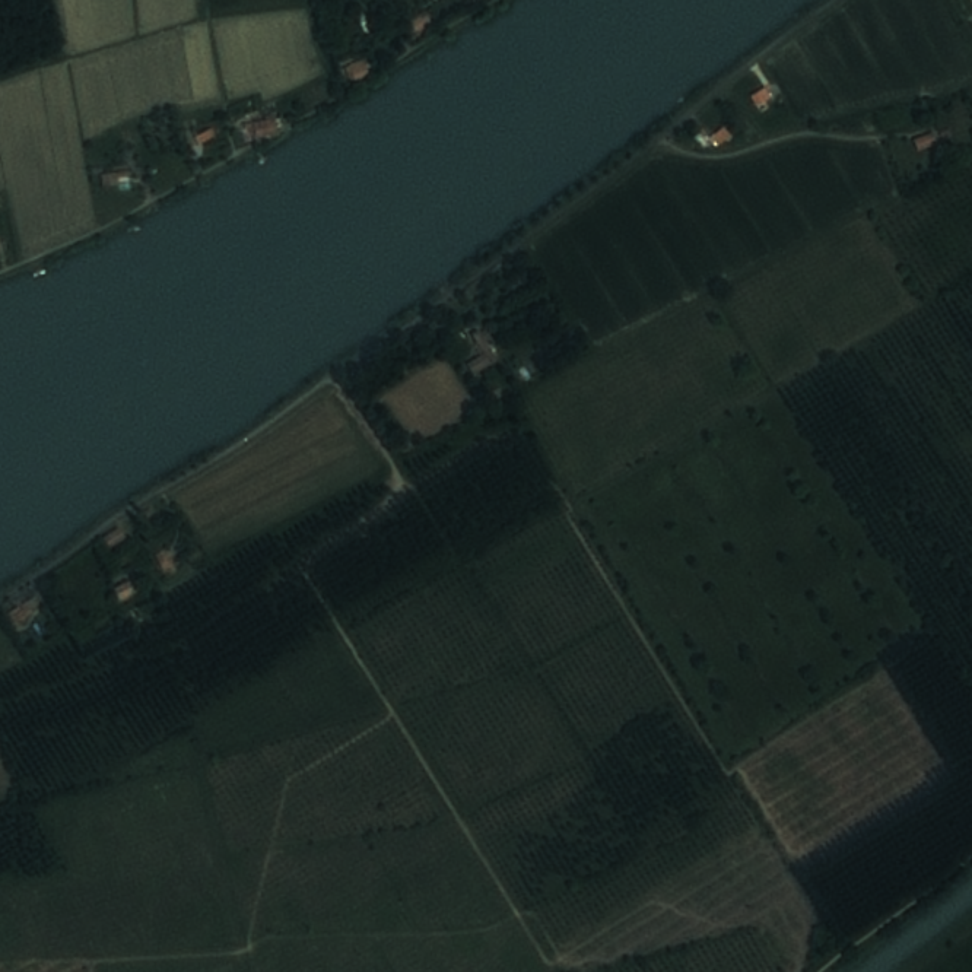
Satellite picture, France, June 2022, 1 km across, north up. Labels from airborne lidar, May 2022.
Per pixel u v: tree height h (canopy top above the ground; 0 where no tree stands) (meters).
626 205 0
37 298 0
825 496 0
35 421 0
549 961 0
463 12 17
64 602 12
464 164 0
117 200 0
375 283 0
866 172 0
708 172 0
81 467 0
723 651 0
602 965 17
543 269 8
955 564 20
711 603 0
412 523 22
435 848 0
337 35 22
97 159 0
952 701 32
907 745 28
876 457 16
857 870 36
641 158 0
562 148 0
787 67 0
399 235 0
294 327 0
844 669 0
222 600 19
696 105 0
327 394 0
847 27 0
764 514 0
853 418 18
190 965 0
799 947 30
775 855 33
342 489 0
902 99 0
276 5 0
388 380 22
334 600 21
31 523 0
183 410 0
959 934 0
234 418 0
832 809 28
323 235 0
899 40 0
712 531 0
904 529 15
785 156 0
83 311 0
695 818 8
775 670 0
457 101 0
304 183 0
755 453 0
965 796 34
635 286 0
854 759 31
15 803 8
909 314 0
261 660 19
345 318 0
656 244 0
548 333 31
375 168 0
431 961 0
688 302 0
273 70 0
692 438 0
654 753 14
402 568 22
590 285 0
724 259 0
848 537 0
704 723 10
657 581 0
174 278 0
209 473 0
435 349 24
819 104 0
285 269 0
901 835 34
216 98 0
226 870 0
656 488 0
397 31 18
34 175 0
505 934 0
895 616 0
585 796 12
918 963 0
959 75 0
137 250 0
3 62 10
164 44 0
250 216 0
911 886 34
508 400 26
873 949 0
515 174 0
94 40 0
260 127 0
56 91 0
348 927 0
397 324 9
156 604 17
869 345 0
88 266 0
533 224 11
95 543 10
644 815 16
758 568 0
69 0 0
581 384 0
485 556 6
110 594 12
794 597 0
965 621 17
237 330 0
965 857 15
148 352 0
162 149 10
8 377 0
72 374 0
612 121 0
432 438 6
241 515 0
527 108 0
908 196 10
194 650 20
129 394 0
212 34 0
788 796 30
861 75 0
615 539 0
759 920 29
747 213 0
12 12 11
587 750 6
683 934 31
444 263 0
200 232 0
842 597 0
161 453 0
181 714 14
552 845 14
